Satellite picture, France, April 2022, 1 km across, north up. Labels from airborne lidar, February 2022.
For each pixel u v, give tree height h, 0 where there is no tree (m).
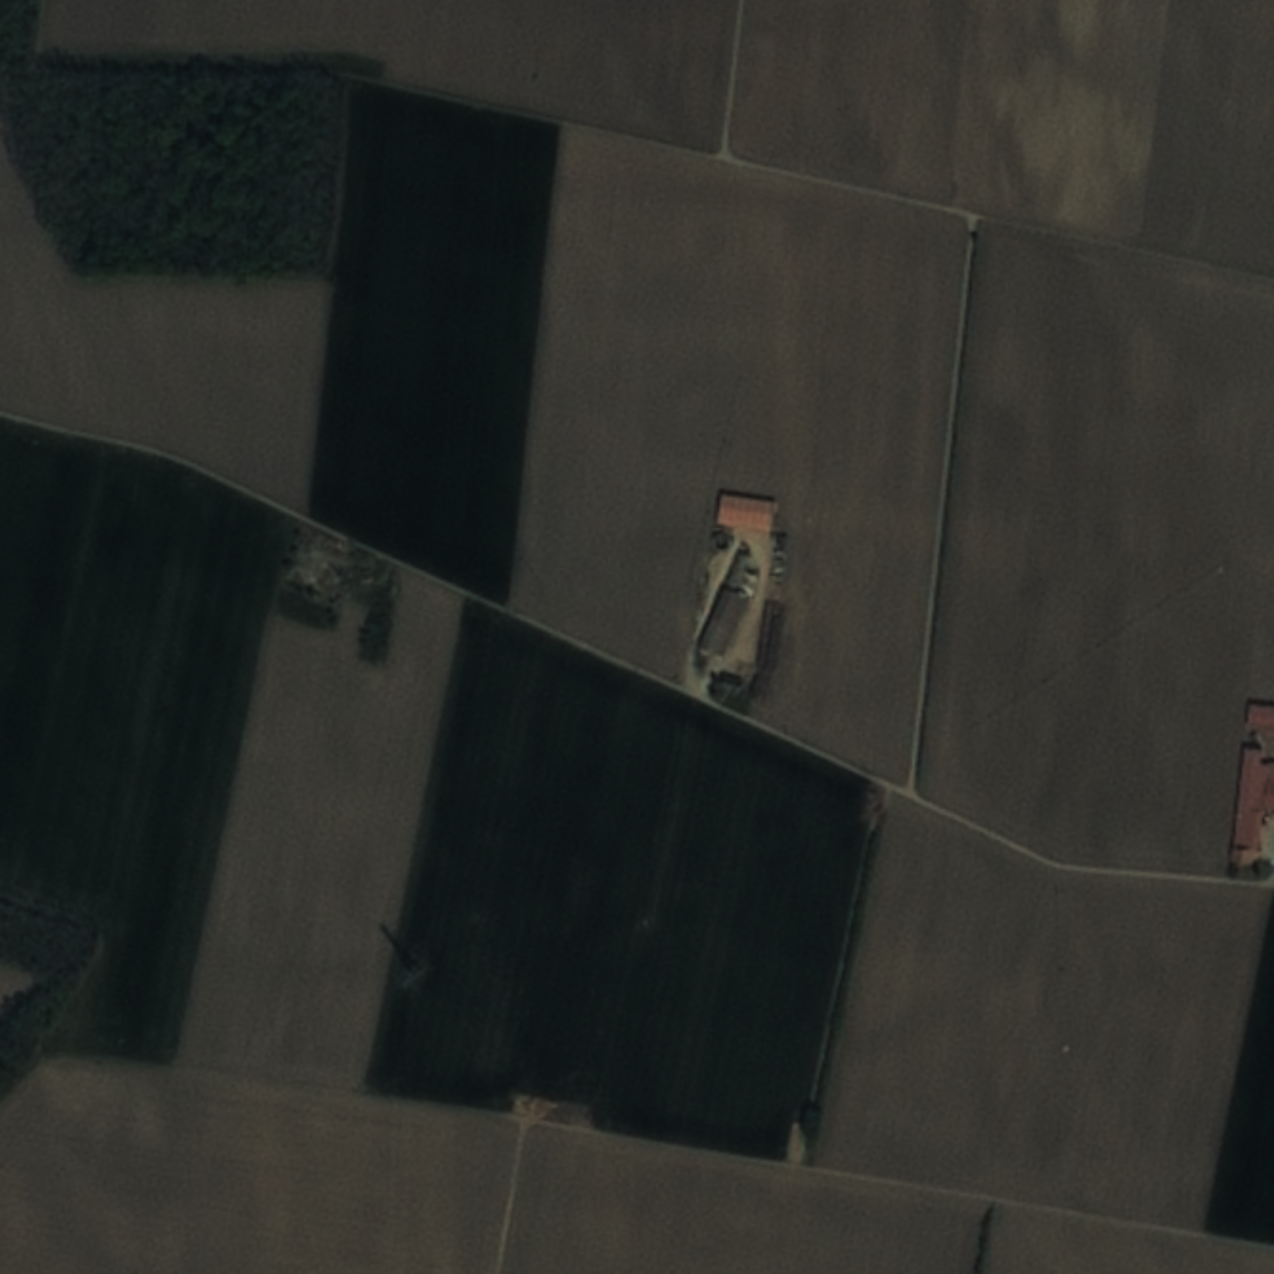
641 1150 0
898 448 0
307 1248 0
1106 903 0
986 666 0
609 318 0
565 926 0
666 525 0
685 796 0
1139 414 0
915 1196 0
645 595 0
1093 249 0
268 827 0
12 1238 0
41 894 0
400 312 0
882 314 0
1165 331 0
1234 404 0
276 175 24
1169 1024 0
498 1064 0
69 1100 0
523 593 0
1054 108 0
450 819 0
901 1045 0
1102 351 0
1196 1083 0
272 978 0
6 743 0
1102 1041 0
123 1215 0
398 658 0
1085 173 0
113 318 0
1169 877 0
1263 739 0
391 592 0
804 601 0
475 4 0
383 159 0
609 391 0
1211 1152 0
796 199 0
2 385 0
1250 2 0
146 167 24
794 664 0
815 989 0
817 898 0
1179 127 0
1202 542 0
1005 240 0
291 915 0
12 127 24
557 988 0
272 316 0
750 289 0
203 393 0
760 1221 0
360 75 0
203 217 24
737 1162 0
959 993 0
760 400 0
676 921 0
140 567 0
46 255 0
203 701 0
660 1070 0
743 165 0
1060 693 0
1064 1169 0
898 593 0
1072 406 0
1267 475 0
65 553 0
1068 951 0
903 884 0
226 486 0
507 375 0
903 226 0
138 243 21
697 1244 0
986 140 0
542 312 0
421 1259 0
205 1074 0
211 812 0
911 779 0
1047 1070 0
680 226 0
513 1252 0
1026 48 0
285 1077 0
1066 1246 0
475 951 0
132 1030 0
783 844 0
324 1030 0
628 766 0
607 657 0
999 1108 0
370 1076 0
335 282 0
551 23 0
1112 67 0
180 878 0
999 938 0
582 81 0
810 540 0
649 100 0
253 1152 0
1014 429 0
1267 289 0
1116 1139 0
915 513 0
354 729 0
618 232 0
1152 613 0
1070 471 0
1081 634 0
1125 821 0
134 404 0
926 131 0
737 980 0
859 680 0
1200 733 0
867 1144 0
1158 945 0
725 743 0
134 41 0
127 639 0
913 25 0
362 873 0
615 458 0
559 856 0
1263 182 0
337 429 0
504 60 0
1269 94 0
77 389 0
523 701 0
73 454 0
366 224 0
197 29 0
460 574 0
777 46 0
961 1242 0
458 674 0
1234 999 0
